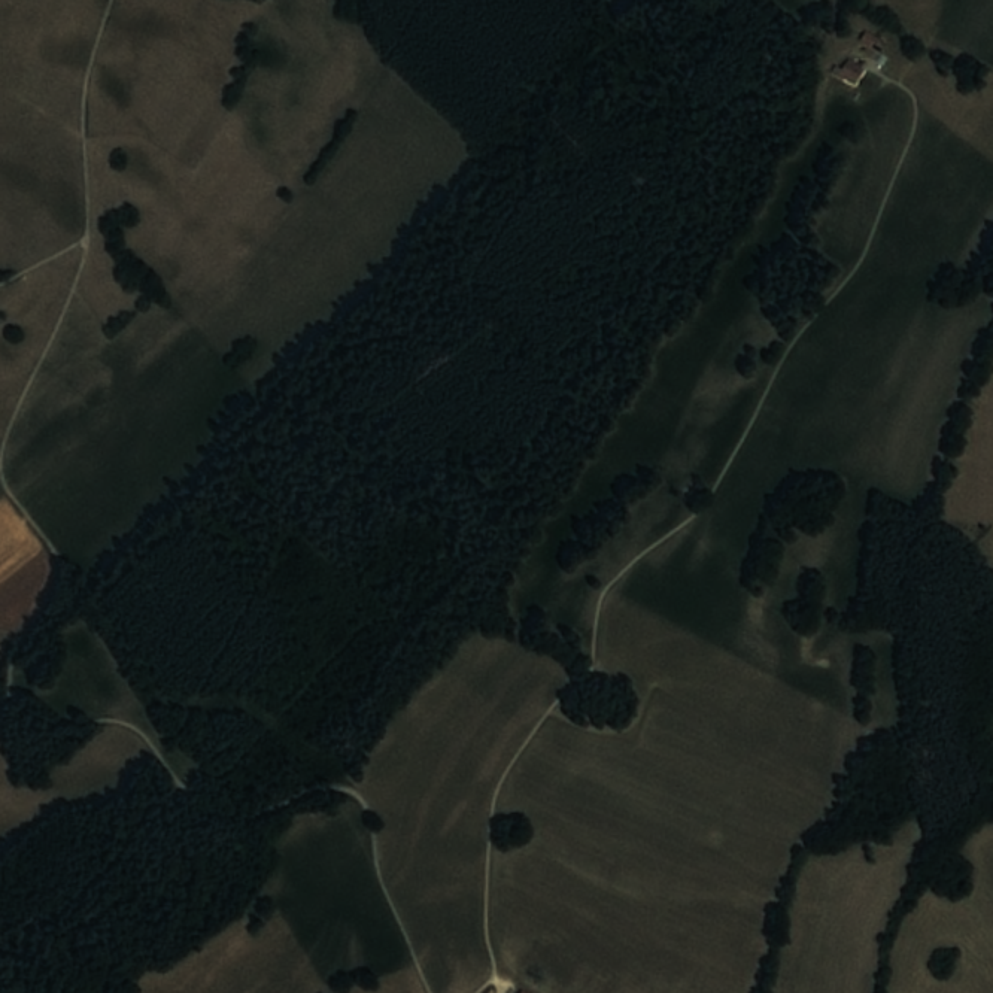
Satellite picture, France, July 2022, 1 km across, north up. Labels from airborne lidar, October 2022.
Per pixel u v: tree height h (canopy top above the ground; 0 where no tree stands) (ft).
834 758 0
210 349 0
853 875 0
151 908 64
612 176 66
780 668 0
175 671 58
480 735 0
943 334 0
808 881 0
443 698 0
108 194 0
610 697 83
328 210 0
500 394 66
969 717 56
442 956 0
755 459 0
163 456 0
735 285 0
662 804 0
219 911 27
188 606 65
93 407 0
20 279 0
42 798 0
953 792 88
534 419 60
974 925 0
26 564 0
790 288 80
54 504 0
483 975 0
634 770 0
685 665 0
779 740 0
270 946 0
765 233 0
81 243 0
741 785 0
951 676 70
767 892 0
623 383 65
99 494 0
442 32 77
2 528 0
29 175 0
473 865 0
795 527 74
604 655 0
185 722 28
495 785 0
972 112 0
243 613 36
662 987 0
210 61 0
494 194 67
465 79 76
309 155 0
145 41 0
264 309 0
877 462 0
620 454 0
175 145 0
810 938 0
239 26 0
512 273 78
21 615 0
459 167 0
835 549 0
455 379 68
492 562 97
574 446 105
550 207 67
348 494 102
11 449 0
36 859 83
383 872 0
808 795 0
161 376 0
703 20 63
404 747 0
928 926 0
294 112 0
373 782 0
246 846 61
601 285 60
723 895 0
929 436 0
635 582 0
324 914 0
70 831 68
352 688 34
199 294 0
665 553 0
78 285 0
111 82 0
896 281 0
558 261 76
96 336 0
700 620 0
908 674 68
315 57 0
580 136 51
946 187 0
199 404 0
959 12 0
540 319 74
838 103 0
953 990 0
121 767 0
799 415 0
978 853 0
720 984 0
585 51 22
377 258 0
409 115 0
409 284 99
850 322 0
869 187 0
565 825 0
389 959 0
